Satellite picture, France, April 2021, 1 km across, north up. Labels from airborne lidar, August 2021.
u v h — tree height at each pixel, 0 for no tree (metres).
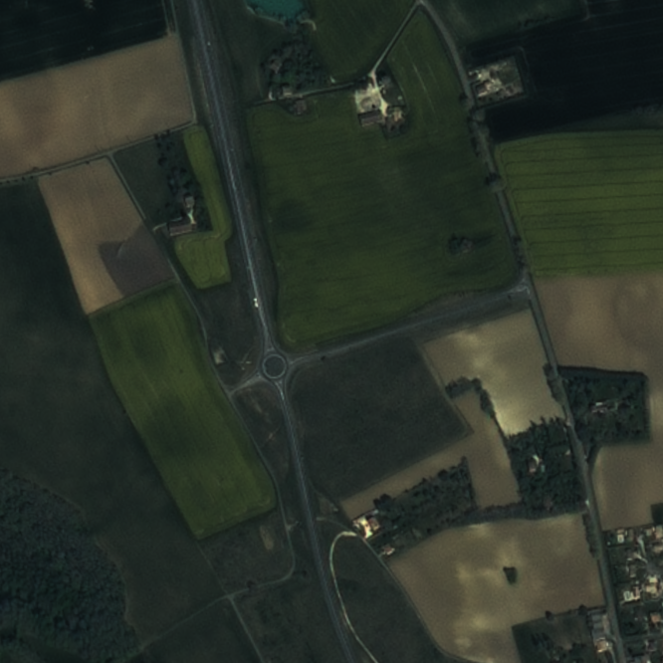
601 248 0
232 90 0
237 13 0
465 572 0
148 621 0
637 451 0
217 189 0
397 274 0
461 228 0
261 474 0
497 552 0
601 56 0
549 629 0
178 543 0
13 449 0
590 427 6
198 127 0
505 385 0
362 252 0
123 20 0
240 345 0
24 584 22
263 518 0
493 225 0
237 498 0
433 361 0
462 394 14
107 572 24
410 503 0
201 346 0
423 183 0
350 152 0
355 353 0
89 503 0
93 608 25
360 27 0
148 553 0
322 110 0
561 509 13
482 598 0
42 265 0
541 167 0
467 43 0
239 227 0
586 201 0
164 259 0
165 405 0
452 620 0
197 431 0
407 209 0
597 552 17
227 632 0
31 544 22
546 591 0
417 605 0
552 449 10
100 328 0
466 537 0
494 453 0
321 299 0
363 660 0
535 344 0
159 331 0
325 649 0
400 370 0
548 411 0
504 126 0
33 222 0
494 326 0
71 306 0
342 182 0
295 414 0
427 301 0
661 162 0
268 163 0
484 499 0
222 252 0
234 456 0
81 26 0
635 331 0
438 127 0
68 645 19
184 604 0
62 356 0
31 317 0
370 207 0
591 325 0
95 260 0
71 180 0
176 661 0
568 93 0
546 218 0
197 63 0
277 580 0
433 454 0
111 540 0
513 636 0
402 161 0
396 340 0
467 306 0
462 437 0
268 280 0
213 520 0
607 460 0
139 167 0
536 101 0
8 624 14
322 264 0
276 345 0
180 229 0
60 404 0
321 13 0
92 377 0
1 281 0
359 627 0
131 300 0
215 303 0
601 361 0
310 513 0
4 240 0
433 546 0
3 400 0
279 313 0
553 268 0
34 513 17
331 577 0
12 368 0
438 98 0
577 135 0
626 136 0
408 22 0
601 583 0
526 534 0
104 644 19
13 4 0
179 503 0
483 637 0
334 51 0
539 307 0
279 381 0
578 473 6
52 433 0
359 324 0
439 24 0
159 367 0
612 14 0
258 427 0
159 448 0
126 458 0
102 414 0
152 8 0
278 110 0
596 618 0
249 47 0
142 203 0
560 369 8
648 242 0
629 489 0
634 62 0
